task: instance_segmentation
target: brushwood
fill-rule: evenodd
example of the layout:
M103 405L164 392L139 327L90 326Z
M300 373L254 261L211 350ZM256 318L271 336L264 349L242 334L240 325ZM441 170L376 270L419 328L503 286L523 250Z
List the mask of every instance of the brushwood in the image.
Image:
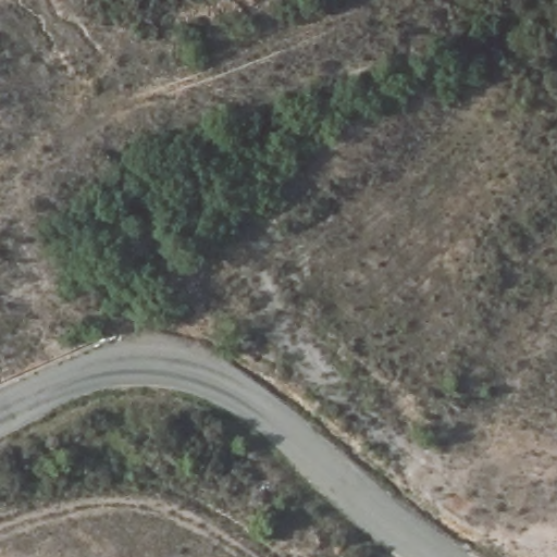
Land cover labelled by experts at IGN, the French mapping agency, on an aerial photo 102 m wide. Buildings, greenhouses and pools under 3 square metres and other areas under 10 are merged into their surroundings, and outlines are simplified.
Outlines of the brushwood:
M37 350L44 346L41 339L35 335L22 335L20 329L26 329L33 320L39 320L39 315L30 309L28 302L9 302L4 300L4 296L22 283L39 281L33 272L20 272L17 263L37 263L41 257L37 250L39 244L33 242L33 237L20 233L15 218L4 220L4 228L0 231L0 346L13 348L11 352L7 352L4 359L20 359L26 366L35 359Z
M183 509L189 509L198 516L213 520L215 511L198 503L202 487L218 490L220 481L226 479L228 494L239 498L250 494L250 490L259 485L265 476L279 472L281 481L276 483L276 487L263 492L263 505L268 509L265 518L272 527L272 540L292 540L296 531L313 529L320 537L320 548L346 548L355 544L357 557L394 557L389 546L379 544L370 533L359 529L346 513L342 513L326 496L313 490L305 476L296 472L287 457L279 450L279 444L283 442L281 435L259 433L255 420L239 418L213 405L202 411L183 409L178 416L170 418L168 426L159 431L154 437L148 437L148 433L139 433L135 444L135 453L141 457L141 470L135 474L135 481L124 479L122 485L113 487L109 483L109 476L100 470L100 466L109 448L107 433L117 431L124 424L122 409L94 409L81 420L65 424L65 429L61 429L59 433L46 433L44 437L30 435L28 457L22 457L20 446L0 448L0 503L2 503L2 505L4 505L4 507L20 507L20 509L24 509L24 511L26 511L26 513L48 507L52 503L65 503L74 498L152 496L165 498L168 503L176 503ZM57 455L59 450L67 453L70 472L61 472L57 476L46 474L39 459Z
M422 416L420 420L407 418L407 433L403 435L411 444L433 448L435 437L431 433L429 420Z
M329 215L339 213L342 205L331 198L324 198L318 189L311 200L298 202L294 207L298 213L311 213L311 220L287 220L287 231L292 235L302 235L305 231L311 231L320 222L324 222Z
M511 7L520 22L527 15L531 15L533 24L542 28L546 44L557 52L557 0L457 0L455 20L459 24L459 35L494 35L498 28L500 7Z

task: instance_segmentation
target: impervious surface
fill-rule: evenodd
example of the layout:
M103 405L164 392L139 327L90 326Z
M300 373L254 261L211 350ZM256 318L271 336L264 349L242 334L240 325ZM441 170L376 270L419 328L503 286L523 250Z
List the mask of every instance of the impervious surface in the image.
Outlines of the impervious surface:
M270 392L265 392L261 385L250 381L233 366L211 355L209 350L198 344L185 344L165 335L146 333L104 337L81 346L61 346L52 339L46 346L46 350L50 352L50 361L46 363L35 359L26 366L24 374L4 379L0 383L0 437L22 429L33 420L39 420L41 416L46 416L48 411L67 400L100 389L172 389L194 394L213 405L239 418L255 420L259 433L281 435L283 442L279 444L279 450L287 457L296 472L305 476L313 490L326 496L342 513L346 513L359 529L370 533L379 544L389 546L394 557L481 557L472 553L468 546L455 544L446 535L437 533L431 524L420 520L409 509L405 509L398 500L394 500L394 496L387 490L383 490L363 470L359 470L342 450L326 442L320 433L315 433L309 422L305 422L296 411L292 411L287 405L283 405L279 398L274 398Z

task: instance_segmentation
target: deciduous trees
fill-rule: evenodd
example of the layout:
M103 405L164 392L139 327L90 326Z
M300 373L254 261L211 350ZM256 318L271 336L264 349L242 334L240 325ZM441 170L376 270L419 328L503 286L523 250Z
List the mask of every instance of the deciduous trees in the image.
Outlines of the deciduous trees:
M85 176L87 185L70 202L61 205L54 213L44 213L33 228L33 237L33 242L39 244L37 250L41 257L50 263L57 276L57 294L65 302L78 298L83 302L83 315L87 324L98 329L104 337L146 333L165 335L176 324L183 326L178 322L178 315L183 315L187 309L185 296L174 287L185 274L194 274L198 272L198 268L202 268L205 261L200 255L196 255L196 246L205 235L222 239L222 235L237 233L237 224L244 213L259 215L261 222L270 224L272 218L294 207L298 202L311 200L318 189L318 176L331 165L331 148L335 146L339 131L348 122L350 113L359 113L368 120L381 122L389 115L418 113L424 98L431 98L433 94L437 94L437 100L442 104L450 102L450 107L455 109L468 109L474 98L487 91L490 96L496 96L494 109L507 109L520 117L527 111L540 109L553 111L557 115L557 52L546 44L542 28L533 24L531 15L527 15L520 22L511 7L500 7L498 28L494 35L459 35L455 35L448 46L440 39L426 37L424 50L411 52L411 57L392 52L387 61L372 61L370 70L359 76L346 74L346 67L339 61L326 61L322 65L322 76L318 78L318 83L287 94L283 94L283 89L276 89L272 104L250 100L235 102L231 109L226 109L218 102L213 109L205 109L200 113L200 126L187 124L185 128L159 128L157 133L141 131L141 137L128 139L128 150L124 150L117 161L111 161L107 168L100 168L98 176Z
M135 474L141 470L141 457L135 453L135 444L126 442L117 431L107 433L109 448L100 466L100 470L109 476L109 483L113 487L122 485L124 479L135 481Z
M235 348L242 344L244 337L235 335L235 324L224 313L209 313L213 318L213 333L207 337L211 342L209 350L211 355L233 366L242 363L242 355L235 352Z
M46 474L57 476L61 472L70 472L67 453L59 450L57 455L39 459Z
M139 33L141 39L168 39L172 35L183 67L189 74L207 70L211 72L215 72L224 61L237 59L239 50L257 46L261 39L270 35L283 37L289 30L289 26L313 24L320 22L324 15L335 15L348 9L363 7L370 0L89 0L100 4L104 26L133 28Z

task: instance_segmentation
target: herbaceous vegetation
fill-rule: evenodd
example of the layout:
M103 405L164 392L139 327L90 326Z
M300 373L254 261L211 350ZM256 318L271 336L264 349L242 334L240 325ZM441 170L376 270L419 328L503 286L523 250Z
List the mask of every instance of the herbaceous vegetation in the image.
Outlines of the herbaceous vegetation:
M4 359L7 352L11 352L13 348L0 346L0 383L4 379L24 374L26 366L20 359Z
M83 315L83 302L78 298L65 302L57 294L57 276L50 263L41 257L37 263L17 263L20 272L33 272L39 281L22 283L4 296L4 300L9 302L28 302L30 309L39 315L39 320L33 320L26 329L20 329L22 335L35 335L41 339L44 346L37 350L35 359L46 363L50 361L50 352L46 350L46 346L52 339L61 346L81 346L104 337L98 329L87 324Z
M74 518L63 524L39 527L30 533L20 533L11 540L0 542L0 557L357 557L355 544L346 548L320 548L320 537L313 529L296 531L292 540L272 540L272 527L265 518L268 509L263 505L263 492L276 487L276 483L281 481L279 472L265 476L259 485L250 490L250 494L239 498L228 494L226 479L220 481L218 490L202 487L198 503L215 511L213 520L220 529L242 540L237 555L228 555L224 550L226 542L222 537L213 546L207 537L181 529L161 516L139 513L102 513L89 518Z
M28 457L30 435L44 437L46 433L59 433L61 429L65 429L65 424L81 420L94 409L122 409L124 424L117 431L126 442L135 444L139 433L148 433L148 437L154 437L159 431L168 426L170 418L178 416L183 409L202 411L213 405L194 394L172 389L100 389L67 400L48 411L46 416L41 416L39 420L33 420L22 429L0 437L0 448L20 446L22 457Z
M198 344L209 350L211 342L207 337L213 333L213 318L209 313L224 313L235 324L235 335L244 337L242 344L235 348L235 352L242 355L242 363L233 366L250 381L261 385L265 392L270 392L274 398L279 398L283 405L287 405L292 411L296 411L305 422L309 422L315 433L320 433L326 442L342 450L359 470L363 470L383 490L387 490L394 496L394 500L398 500L405 509L409 509L420 520L431 524L437 533L446 535L455 544L468 546L472 553L481 557L507 557L498 546L483 546L479 542L461 537L457 531L446 527L437 516L418 505L411 498L411 490L400 490L385 474L389 466L398 474L405 472L405 455L403 450L392 450L383 442L374 442L370 431L396 429L398 435L403 435L407 433L407 418L398 407L398 398L409 394L416 398L416 405L420 407L422 416L429 420L431 433L435 437L433 448L440 450L442 463L448 470L455 470L455 459L459 455L479 457L479 442L485 440L485 433L476 429L476 424L483 420L490 424L507 424L509 431L533 431L537 435L550 437L557 444L557 115L553 111L540 109L527 111L520 117L507 109L494 109L496 96L490 96L487 91L474 98L468 109L455 109L450 107L450 102L442 104L437 100L437 94L433 94L431 98L424 98L418 113L389 115L381 122L368 120L359 113L350 113L348 122L339 131L335 146L331 148L331 165L318 176L318 189L324 198L331 198L342 205L339 213L329 215L324 222L320 222L311 231L305 231L302 235L292 235L287 231L287 220L311 220L311 213L298 213L294 207L272 218L270 224L261 222L259 215L244 213L237 224L237 233L222 235L222 239L205 235L196 246L196 255L200 255L205 261L202 268L198 268L198 272L194 274L185 274L174 287L185 296L187 309L183 315L178 315L178 322L183 326L176 324L165 335L185 344ZM268 313L265 309L265 305L270 302L270 294L261 285L261 272L268 272L272 276L274 285L281 289L281 298L285 300L283 309L274 313ZM318 392L315 383L307 379L311 363L300 352L300 344L311 344L320 350L329 366L339 370L346 383L346 403L329 400ZM311 413L305 407L300 407L285 392L268 383L268 374L294 383L309 400L318 403L318 409ZM361 440L363 448L355 453L350 444L339 440L326 426L331 420L339 420L348 433Z
M7 520L15 520L15 518L17 518L17 516L22 516L22 513L26 513L26 511L24 511L24 509L20 509L20 507L4 507L4 505L2 505L2 503L0 503L0 522L7 522Z
M287 94L318 83L318 78L322 76L322 65L326 61L339 61L346 67L346 74L359 76L370 70L372 61L387 61L392 52L411 57L411 52L424 50L426 37L440 39L448 46L455 35L459 35L459 24L455 20L457 0L370 0L363 7L348 9L335 15L324 15L320 22L313 24L289 26L289 30L283 37L270 35L261 39L257 46L239 50L237 59L224 61L215 72L211 72L211 85L191 87L181 96L154 94L137 98L133 91L152 85L152 81L159 76L174 78L189 74L183 67L172 35L168 39L141 39L139 33L133 28L104 26L100 4L89 0L76 0L74 13L85 17L91 30L89 37L85 37L74 22L57 15L52 0L0 0L0 231L4 228L4 220L15 218L20 233L33 237L33 228L44 213L54 213L61 205L70 202L87 185L85 176L98 176L100 168L107 168L111 161L117 161L124 150L128 150L128 139L141 137L141 131L157 133L159 128L185 128L187 124L200 126L200 113L205 109L213 109L218 102L226 109L231 109L235 102L250 100L272 104L276 89L283 89L283 94Z
M468 498L474 509L466 516L468 524L507 529L511 533L527 533L533 524L550 524L557 531L557 476L531 481L524 474L511 474L509 479L505 479L503 492L496 494L492 481L498 474L498 466L481 468L479 476L474 476L474 481L468 485Z

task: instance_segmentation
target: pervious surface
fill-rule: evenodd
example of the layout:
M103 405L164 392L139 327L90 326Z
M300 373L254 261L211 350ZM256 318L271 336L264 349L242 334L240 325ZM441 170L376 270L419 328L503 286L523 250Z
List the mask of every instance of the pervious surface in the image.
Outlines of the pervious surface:
M211 72L207 70L189 74L174 78L159 76L152 81L152 85L133 91L137 98L154 94L181 96L191 87L211 85Z
M420 420L422 416L420 407L416 405L416 398L409 394L398 398L398 407L407 418Z
M307 379L315 383L318 392L329 400L346 403L346 383L339 370L329 366L320 350L311 344L300 344L300 352L311 363Z
M294 383L268 374L268 383L285 392L300 407L305 407L311 413L318 409L318 403L309 400Z
M281 298L281 289L274 285L272 276L268 272L261 272L261 285L270 294L270 302L265 305L265 309L268 313L274 313L283 309L285 300Z
M74 498L65 503L52 503L48 507L26 513L22 513L22 516L17 516L17 518L15 518L15 520L7 520L7 522L0 522L0 542L11 540L20 533L30 533L39 527L63 524L74 518L89 518L102 513L139 513L161 516L181 529L207 537L213 546L222 537L226 542L224 550L228 555L237 555L242 540L220 529L213 520L198 516L189 509L183 509L176 503L168 503L165 498L152 496Z
M355 453L363 448L361 440L348 433L339 420L331 420L326 426L339 440L350 444Z
M476 429L485 433L485 440L479 442L479 457L459 455L455 459L455 470L448 470L442 463L440 450L433 448L411 444L403 435L398 435L396 429L370 431L374 442L383 442L392 450L403 450L405 455L405 472L398 474L389 466L385 474L400 490L411 490L411 498L418 505L437 516L446 527L457 531L461 537L479 542L483 546L498 546L507 557L557 557L557 531L550 524L533 524L527 533L511 533L507 529L468 524L466 516L474 509L468 498L468 485L474 481L474 476L479 476L481 468L498 466L498 474L492 481L496 494L503 492L505 479L509 479L511 474L524 474L531 481L557 476L557 444L550 437L537 435L533 431L509 431L507 424L490 424L483 420L476 424Z
M91 30L85 17L74 13L76 0L52 0L57 15L74 22L85 37L89 37Z

